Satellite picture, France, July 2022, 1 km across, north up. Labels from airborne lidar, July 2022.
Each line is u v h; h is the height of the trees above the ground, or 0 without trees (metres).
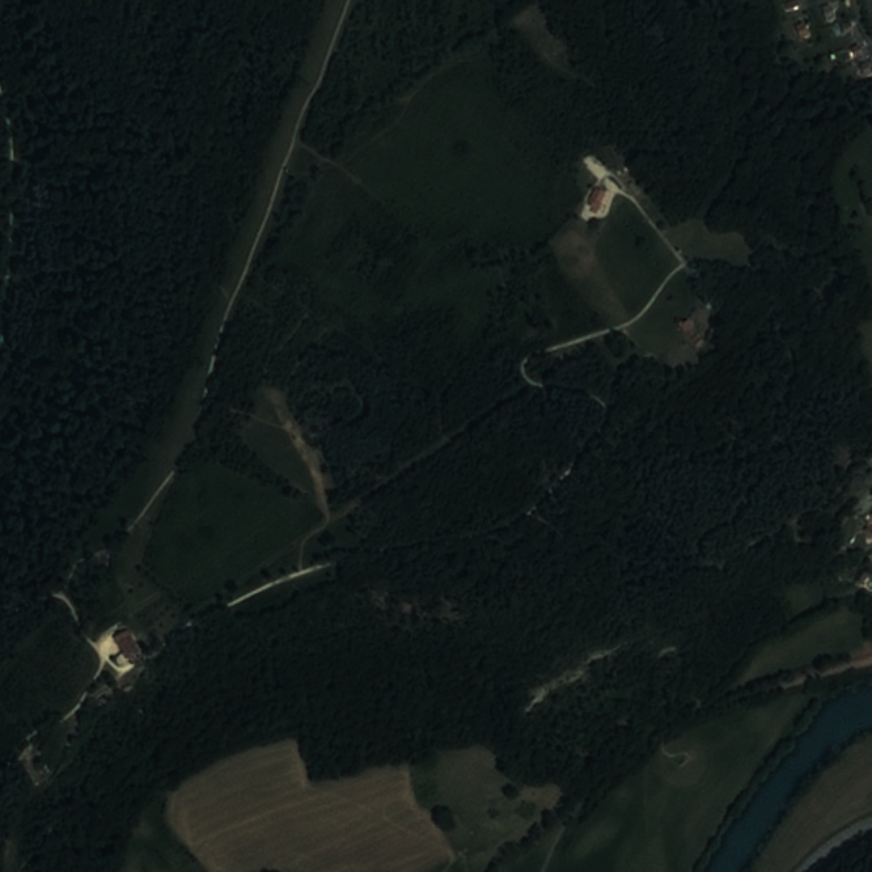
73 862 37
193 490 0
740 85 26
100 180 29
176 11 9
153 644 19
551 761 27
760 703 15
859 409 25
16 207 25
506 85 8
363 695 32
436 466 13
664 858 0
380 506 13
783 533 22
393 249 8
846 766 0
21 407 7
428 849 0
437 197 0
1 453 36
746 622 20
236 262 0
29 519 28
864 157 0
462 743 24
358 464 18
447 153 0
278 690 28
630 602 24
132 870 0
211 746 24
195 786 0
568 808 23
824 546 22
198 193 15
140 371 26
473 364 10
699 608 15
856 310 26
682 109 11
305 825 0
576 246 0
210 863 0
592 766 27
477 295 0
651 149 11
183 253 18
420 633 21
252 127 17
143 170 22
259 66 19
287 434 0
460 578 21
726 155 31
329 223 0
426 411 12
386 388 20
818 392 30
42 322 27
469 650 22
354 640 22
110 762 28
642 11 13
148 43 20
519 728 21
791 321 23
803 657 0
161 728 20
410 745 24
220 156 23
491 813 9
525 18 0
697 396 8
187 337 17
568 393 25
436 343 7
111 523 0
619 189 0
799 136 37
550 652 15
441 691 30
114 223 23
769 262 24
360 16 6
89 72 22
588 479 12
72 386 18
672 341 0
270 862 0
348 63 10
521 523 16
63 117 16
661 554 33
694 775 0
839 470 21
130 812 29
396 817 0
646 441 18
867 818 0
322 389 7
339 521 0
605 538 32
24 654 0
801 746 0
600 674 23
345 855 0
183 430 0
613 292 0
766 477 28
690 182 7
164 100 19
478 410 15
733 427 21
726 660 17
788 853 0
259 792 0
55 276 22
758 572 19
